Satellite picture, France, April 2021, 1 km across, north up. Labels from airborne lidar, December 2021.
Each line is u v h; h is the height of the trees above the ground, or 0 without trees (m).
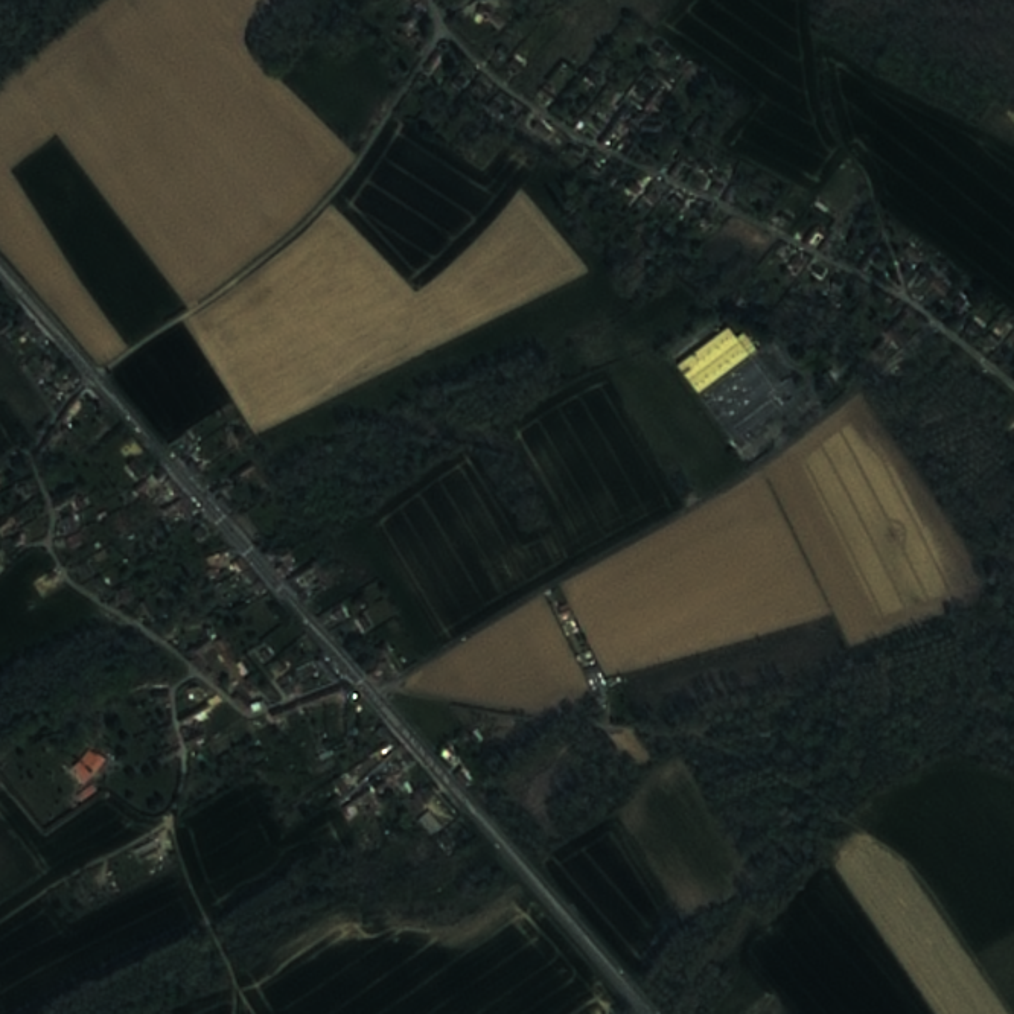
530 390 27
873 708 38
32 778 10
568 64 7
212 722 0
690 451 0
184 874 0
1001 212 0
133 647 23
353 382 0
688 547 0
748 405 0
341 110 0
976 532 16
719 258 0
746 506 0
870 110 0
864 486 0
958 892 0
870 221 23
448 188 0
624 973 0
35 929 0
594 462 0
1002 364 17
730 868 0
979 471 19
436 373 0
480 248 0
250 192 0
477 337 0
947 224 0
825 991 0
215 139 0
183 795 14
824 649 0
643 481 0
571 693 0
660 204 0
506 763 25
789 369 0
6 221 0
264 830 0
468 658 0
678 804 0
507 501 15
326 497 17
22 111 0
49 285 0
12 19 38
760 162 0
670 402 0
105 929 0
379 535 0
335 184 0
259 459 16
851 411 0
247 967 19
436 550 0
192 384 0
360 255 0
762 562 0
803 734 21
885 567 0
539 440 0
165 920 0
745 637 0
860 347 7
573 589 0
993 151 0
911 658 25
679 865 0
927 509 0
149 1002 17
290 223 0
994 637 9
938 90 23
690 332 10
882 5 23
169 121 0
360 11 13
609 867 0
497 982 0
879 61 16
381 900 6
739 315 25
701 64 9
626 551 0
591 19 0
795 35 0
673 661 0
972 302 15
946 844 0
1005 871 0
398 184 0
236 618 7
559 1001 0
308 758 0
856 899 0
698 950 40
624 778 21
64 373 14
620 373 0
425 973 0
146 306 0
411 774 0
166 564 10
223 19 0
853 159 0
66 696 25
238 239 0
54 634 0
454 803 0
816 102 0
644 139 8
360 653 7
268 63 26
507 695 0
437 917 0
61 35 17
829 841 20
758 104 0
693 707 6
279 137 0
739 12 0
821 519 0
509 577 0
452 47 5
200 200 0
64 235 0
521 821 10
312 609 0
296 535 9
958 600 0
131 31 0
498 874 11
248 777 6
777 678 0
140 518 0
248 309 0
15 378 0
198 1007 0
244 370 0
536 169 0
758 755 13
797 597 0
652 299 12
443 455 18
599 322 0
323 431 0
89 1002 23
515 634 0
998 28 20
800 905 0
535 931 0
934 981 0
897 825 0
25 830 0
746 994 0
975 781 0
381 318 0
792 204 0
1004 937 0
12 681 21
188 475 0
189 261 0
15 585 0
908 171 0
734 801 24
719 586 0
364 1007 0
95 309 0
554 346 0
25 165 0
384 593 10
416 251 0
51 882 0
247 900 9
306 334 0
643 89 10
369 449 25
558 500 0
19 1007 0
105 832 0
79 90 0
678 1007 32
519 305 0
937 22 20
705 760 17
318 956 0
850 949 0
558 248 0
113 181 0
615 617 0
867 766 23
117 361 0
